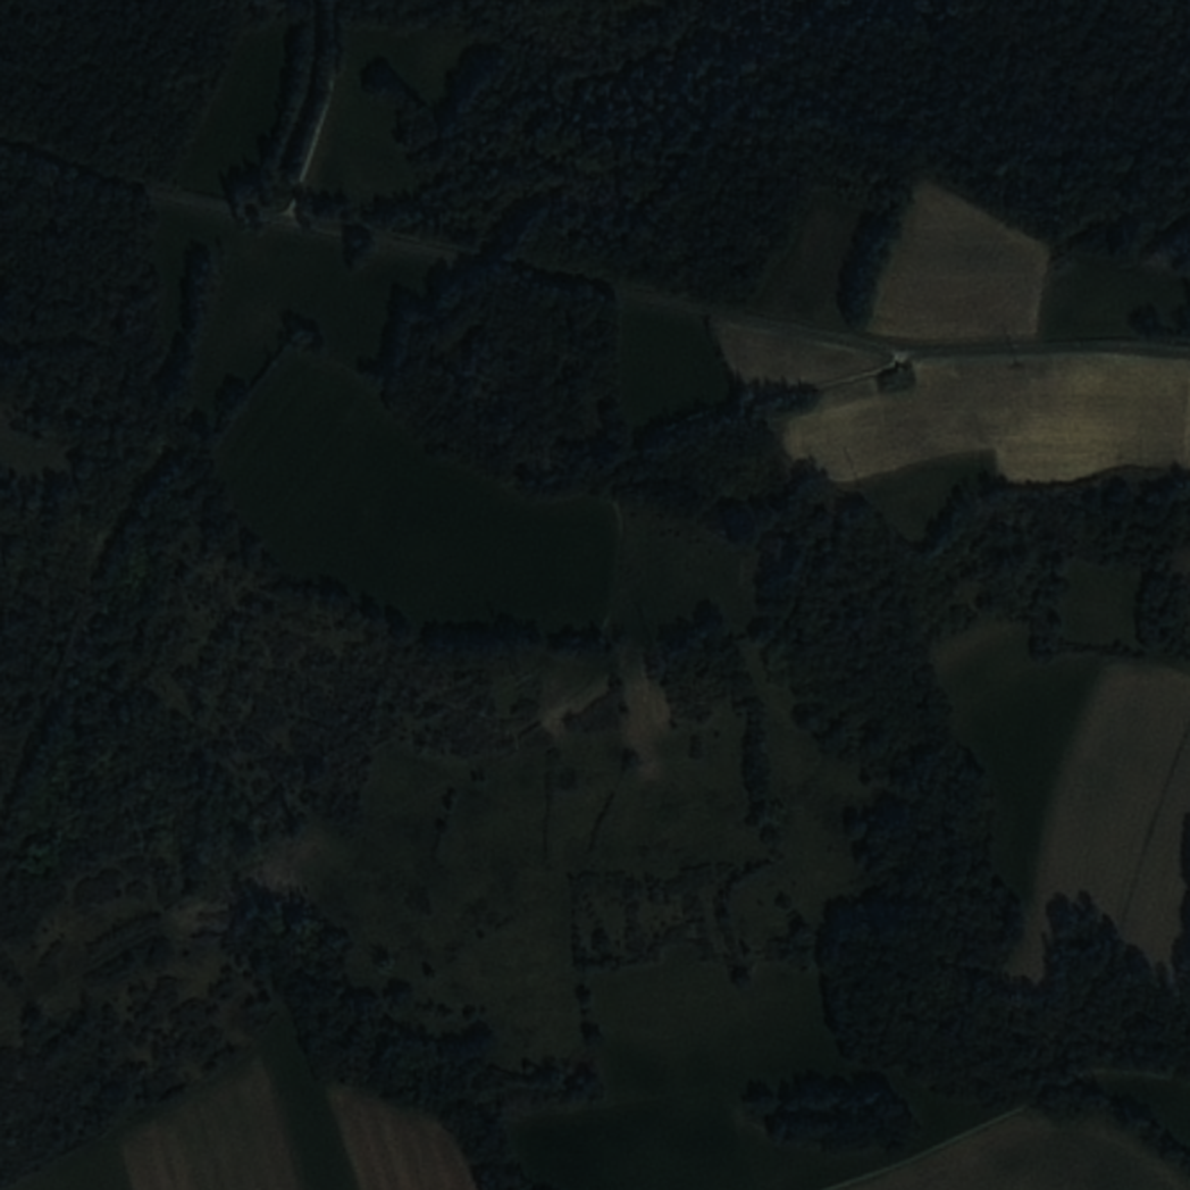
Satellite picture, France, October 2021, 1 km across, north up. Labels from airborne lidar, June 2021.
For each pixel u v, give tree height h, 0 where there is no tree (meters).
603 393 16
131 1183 0
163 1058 14
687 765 0
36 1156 6
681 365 0
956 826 24
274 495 0
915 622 10
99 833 7
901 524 0
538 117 20
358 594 0
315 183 0
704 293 20
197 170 0
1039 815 0
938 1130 0
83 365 16
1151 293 0
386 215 17
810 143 20
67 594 16
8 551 16
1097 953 17
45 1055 8
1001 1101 21
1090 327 0
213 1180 0
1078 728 0
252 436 0
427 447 8
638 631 0
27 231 24
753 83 23
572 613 0
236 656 7
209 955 0
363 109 0
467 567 0
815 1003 0
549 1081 17
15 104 25
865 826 8
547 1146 0
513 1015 0
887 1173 0
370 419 0
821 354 0
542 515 0
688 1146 0
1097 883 0
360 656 8
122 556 15
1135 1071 25
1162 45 21
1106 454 0
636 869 0
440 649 14
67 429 12
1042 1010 17
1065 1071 18
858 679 21
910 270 0
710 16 14
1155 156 30
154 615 25
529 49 13
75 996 0
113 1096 17
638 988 0
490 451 16
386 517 0
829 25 23
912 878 26
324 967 12
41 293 23
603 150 20
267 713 6
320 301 0
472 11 14
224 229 0
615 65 19
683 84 17
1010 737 0
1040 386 0
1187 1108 0
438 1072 20
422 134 21
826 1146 21
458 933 0
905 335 0
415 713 8
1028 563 21
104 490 17
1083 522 12
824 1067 0
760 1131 0
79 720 20
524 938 0
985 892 18
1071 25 26
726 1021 0
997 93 26
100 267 23
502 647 15
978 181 20
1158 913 0
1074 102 26
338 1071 21
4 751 14
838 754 8
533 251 22
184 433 16
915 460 0
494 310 23
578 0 15
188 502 8
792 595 13
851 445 0
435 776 0
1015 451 0
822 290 0
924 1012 27
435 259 0
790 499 12
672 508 18
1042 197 27
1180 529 13
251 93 0
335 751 6
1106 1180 0
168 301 0
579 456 17
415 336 20
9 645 22
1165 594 12
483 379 17
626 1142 0
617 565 0
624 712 10
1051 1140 0
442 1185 0
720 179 22
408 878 0
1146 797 0
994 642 0
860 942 21
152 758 16
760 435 19
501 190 22
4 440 0
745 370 0
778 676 16
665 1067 0
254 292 0
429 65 0
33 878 8
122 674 21
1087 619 0
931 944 25
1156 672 0
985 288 0
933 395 0
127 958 8
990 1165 0
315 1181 0
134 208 21
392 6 19
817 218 0
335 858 0
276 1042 0
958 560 9
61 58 25
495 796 0
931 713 26
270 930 26
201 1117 0
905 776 11
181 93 25
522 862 0
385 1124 0
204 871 18
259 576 10
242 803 14
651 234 25
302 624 6
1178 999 12
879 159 21
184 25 23
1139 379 0
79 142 24
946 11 23
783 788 0
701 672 6
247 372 0
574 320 21
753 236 25
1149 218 24
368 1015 12
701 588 0
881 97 25
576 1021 0
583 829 0
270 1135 0
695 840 0
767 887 0
